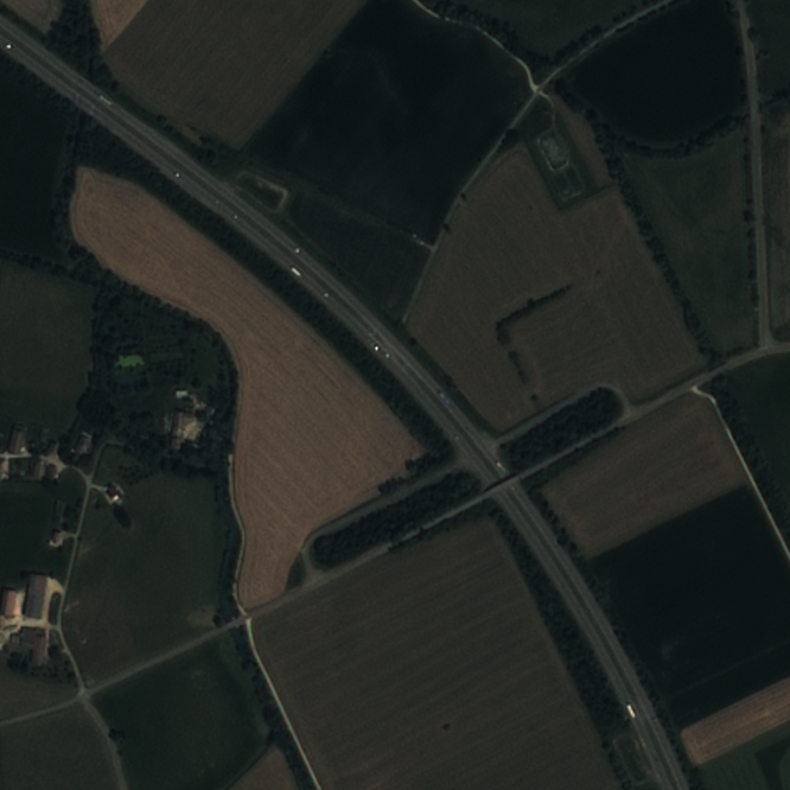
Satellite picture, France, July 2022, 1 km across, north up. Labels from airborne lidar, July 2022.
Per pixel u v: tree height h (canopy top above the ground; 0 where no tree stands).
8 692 0
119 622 0
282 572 0
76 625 0
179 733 0
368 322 0
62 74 0
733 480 0
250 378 0
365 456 0
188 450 8
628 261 0
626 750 0
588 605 0
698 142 16
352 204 0
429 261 0
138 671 0
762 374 0
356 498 0
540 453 9
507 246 0
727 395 15
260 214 0
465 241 0
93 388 7
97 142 7
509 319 6
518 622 0
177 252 0
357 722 0
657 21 0
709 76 0
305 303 7
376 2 0
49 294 0
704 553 0
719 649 0
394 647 0
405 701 0
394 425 0
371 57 0
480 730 0
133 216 0
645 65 0
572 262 0
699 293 0
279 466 0
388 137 0
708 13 0
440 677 0
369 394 0
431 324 0
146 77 0
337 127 0
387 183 0
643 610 0
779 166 0
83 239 0
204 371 0
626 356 0
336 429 0
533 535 0
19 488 0
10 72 8
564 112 0
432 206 0
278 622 0
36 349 0
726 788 0
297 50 0
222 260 0
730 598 0
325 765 0
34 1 0
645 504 0
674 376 0
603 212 0
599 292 0
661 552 0
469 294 0
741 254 0
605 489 0
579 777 0
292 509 0
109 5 0
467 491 6
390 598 0
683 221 0
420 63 0
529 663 0
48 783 0
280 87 0
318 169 0
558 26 0
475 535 0
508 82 0
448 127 0
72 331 0
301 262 0
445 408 0
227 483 10
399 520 9
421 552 0
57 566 0
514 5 0
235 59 0
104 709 0
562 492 0
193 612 0
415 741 0
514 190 0
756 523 0
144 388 15
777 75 0
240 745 0
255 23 0
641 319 0
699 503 0
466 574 0
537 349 0
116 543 0
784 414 0
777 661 0
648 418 0
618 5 0
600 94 0
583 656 9
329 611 0
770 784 0
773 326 0
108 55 0
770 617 0
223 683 0
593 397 9
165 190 10
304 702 0
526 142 0
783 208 0
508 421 0
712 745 0
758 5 0
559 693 0
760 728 0
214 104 0
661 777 0
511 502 0
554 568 0
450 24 0
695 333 12
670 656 0
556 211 0
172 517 0
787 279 0
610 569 0
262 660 0
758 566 0
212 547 0
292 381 0
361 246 0
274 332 0
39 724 0
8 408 0
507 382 0
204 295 0
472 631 0
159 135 0
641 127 0
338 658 0
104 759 0
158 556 0
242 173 0
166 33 0
